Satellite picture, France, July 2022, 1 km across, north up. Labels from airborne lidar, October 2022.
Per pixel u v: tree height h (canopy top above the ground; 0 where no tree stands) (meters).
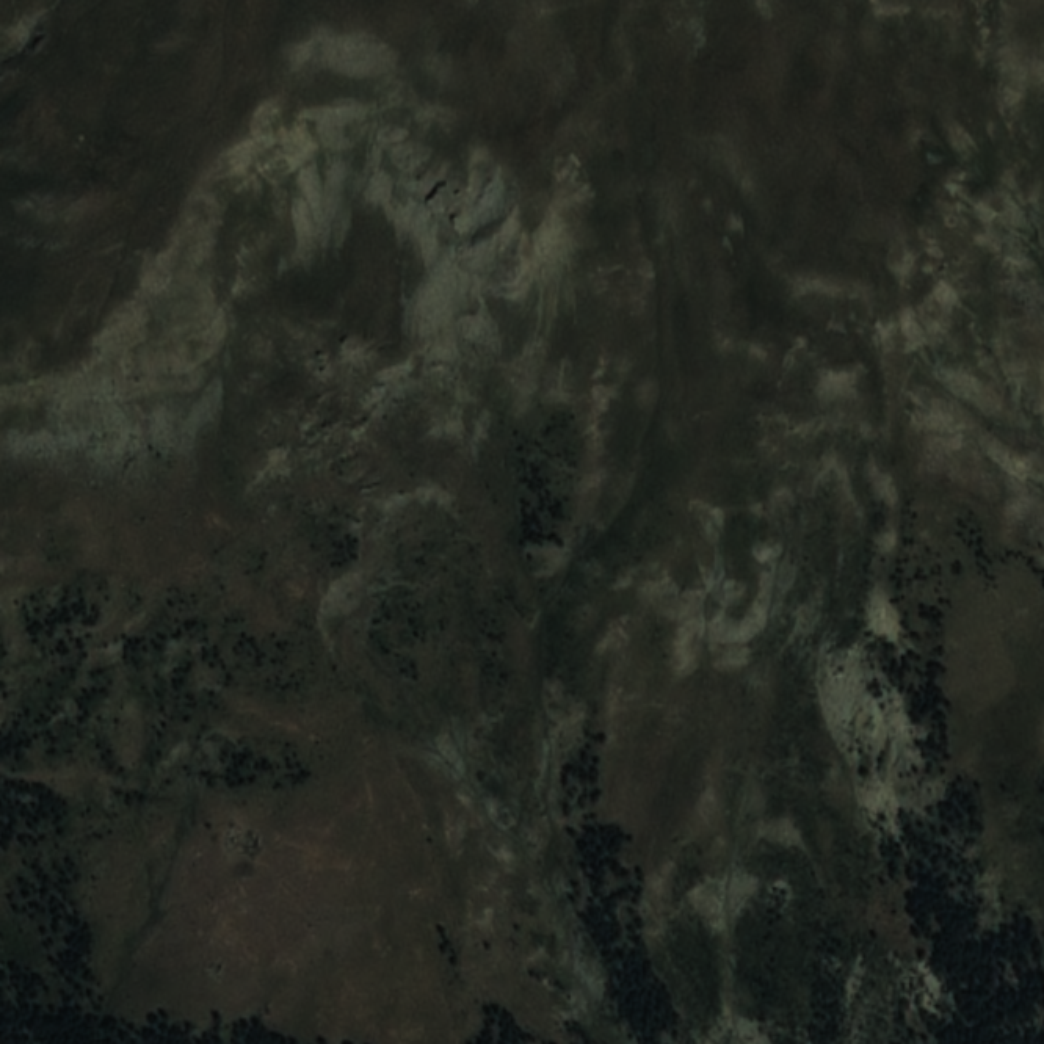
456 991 0
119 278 0
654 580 0
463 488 0
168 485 0
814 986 7
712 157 0
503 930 0
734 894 0
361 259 0
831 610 0
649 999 19
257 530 0
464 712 0
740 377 0
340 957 0
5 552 0
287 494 0
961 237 0
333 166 0
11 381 0
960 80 0
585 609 0
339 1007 0
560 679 0
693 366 0
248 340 0
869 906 0
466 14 0
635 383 0
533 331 0
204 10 0
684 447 0
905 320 0
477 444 0
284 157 0
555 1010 0
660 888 0
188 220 0
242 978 0
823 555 0
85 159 0
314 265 0
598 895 8
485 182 0
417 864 0
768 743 0
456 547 0
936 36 0
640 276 0
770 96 0
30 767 0
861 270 0
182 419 0
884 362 0
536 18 0
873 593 0
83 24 0
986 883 0
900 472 0
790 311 0
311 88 0
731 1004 0
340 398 0
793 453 0
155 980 0
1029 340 0
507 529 0
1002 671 0
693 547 0
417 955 0
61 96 0
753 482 0
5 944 0
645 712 0
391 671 0
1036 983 15
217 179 0
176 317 0
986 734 0
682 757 0
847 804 0
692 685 0
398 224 0
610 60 0
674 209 0
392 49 0
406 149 0
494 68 0
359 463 0
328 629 0
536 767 0
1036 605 0
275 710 0
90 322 0
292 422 0
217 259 0
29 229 0
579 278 0
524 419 0
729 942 0
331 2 0
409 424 0
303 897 0
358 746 0
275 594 0
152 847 0
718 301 0
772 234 0
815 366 0
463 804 0
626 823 0
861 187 0
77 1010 12
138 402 0
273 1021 0
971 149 0
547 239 0
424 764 0
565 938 0
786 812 0
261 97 0
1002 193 0
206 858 0
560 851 0
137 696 0
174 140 0
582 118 0
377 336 0
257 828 0
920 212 0
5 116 0
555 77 0
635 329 0
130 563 0
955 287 0
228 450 0
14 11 0
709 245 0
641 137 0
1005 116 0
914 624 0
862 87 0
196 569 0
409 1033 0
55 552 0
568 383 0
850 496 0
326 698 0
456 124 0
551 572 0
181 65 0
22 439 0
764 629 0
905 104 0
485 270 0
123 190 0
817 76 0
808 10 0
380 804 0
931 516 0
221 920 0
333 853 0
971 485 0
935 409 0
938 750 8
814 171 0
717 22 0
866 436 0
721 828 0
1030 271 0
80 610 8
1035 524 0
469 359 0
